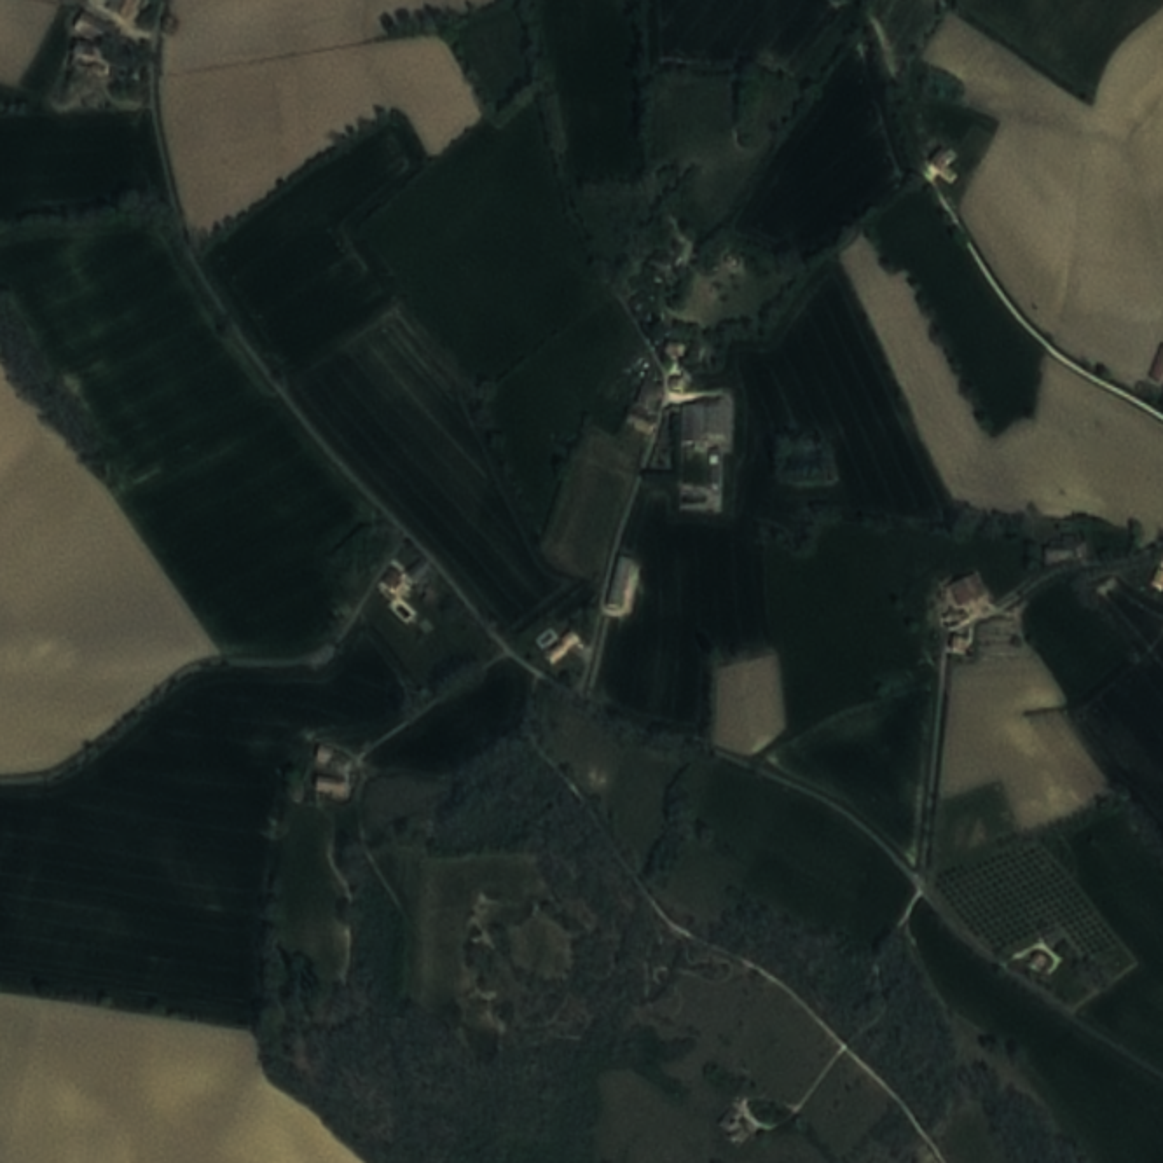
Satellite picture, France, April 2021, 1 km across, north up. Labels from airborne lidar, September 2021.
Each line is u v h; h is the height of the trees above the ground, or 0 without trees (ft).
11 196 0
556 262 0
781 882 0
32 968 0
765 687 0
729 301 0
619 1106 0
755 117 48
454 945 0
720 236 38
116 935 0
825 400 0
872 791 0
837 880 0
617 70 0
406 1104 38
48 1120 0
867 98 0
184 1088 0
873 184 0
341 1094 53
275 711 0
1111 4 0
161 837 0
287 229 0
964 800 0
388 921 23
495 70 0
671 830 25
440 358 0
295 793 28
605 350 0
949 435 0
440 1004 0
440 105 0
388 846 0
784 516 0
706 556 0
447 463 0
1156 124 0
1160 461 0
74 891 0
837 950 32
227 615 0
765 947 34
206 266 33
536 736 61
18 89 0
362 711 0
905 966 49
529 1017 21
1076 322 0
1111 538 0
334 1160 0
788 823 0
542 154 0
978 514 55
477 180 0
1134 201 0
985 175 0
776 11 0
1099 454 0
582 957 36
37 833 0
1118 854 0
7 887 0
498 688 0
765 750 0
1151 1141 0
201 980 0
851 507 0
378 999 21
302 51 0
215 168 0
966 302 0
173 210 59
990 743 0
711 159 0
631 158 0
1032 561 38
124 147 0
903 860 0
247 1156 0
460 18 44
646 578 0
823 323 0
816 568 0
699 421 0
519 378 0
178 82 0
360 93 0
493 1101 30
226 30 0
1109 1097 0
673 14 0
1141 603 0
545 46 41
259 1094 0
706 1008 0
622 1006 25
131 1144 0
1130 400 0
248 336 38
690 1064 0
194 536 0
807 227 0
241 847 0
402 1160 29
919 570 0
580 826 51
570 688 53
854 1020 31
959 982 0
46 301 0
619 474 0
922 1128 27
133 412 0
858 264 0
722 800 0
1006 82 0
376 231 0
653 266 21
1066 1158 68
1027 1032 0
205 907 0
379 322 0
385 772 0
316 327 0
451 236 0
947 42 0
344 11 0
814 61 0
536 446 0
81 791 0
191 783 0
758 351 0
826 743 0
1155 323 0
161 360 0
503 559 0
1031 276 0
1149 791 0
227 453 0
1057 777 0
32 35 0
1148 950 0
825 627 0
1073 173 0
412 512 0
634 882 44
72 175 0
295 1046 33
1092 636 0
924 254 0
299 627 0
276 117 0
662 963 20
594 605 17
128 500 0
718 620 0
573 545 0
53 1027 0
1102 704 0
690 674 0
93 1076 0
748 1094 0
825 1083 0
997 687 0
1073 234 0
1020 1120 62
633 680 0
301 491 0
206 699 0
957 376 42
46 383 72
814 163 0
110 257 0
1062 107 0
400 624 0
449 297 0
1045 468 0
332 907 0
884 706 0
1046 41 0
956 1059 60
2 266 0
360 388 0
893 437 0
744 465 0
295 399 0
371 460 0
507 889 0
